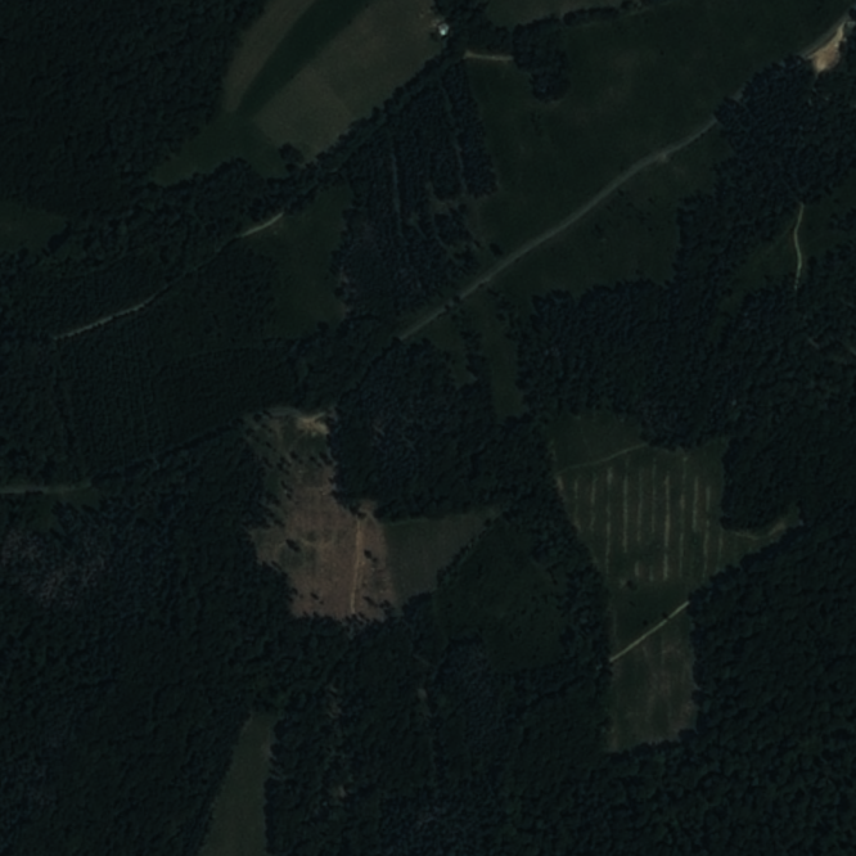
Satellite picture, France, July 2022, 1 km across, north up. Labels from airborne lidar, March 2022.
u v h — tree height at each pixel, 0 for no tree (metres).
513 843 27
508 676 6
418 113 17
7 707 10
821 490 16
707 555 0
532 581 0
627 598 0
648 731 0
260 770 0
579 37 0
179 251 21
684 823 28
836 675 29
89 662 17
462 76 22
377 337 23
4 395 29
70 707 18
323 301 0
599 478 0
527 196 0
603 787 25
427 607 21
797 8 0
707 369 24
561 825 23
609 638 13
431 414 20
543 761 25
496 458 23
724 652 29
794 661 32
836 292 16
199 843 14
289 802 22
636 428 0
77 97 19
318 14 0
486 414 21
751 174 21
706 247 22
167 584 20
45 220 0
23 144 10
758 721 27
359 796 24
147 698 22
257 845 0
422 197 24
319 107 0
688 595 0
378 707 25
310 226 0
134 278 10
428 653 24
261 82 0
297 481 0
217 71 26
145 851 26
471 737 22
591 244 0
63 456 27
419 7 0
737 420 11
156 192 32
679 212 0
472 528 0
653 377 15
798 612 32
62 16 21
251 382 7
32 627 19
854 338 22
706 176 0
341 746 10
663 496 0
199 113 28
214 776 16
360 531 0
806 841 25
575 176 0
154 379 6
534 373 19
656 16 0
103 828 22
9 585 18
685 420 23
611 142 0
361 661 24
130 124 23
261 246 0
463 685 21
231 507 22
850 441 18
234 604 22
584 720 27
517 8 0
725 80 0
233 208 19
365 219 14
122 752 24
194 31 23
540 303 19
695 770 31
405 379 16
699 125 0
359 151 17
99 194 15
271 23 0
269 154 0
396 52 0
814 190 12
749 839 23
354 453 21
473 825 22
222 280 12
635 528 0
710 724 24
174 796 29
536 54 21
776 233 17
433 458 23
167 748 27
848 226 23
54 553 25
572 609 26
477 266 23
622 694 0
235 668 25
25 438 33
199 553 24
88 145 9
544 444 21
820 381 22
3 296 25
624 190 0
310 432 0
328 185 17
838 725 29
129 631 21
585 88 0
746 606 26
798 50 0
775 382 22
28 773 12
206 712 26
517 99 0
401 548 0
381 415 26
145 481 21
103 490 20
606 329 23
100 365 7
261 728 0
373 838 26
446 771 23
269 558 0
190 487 22
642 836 23
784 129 20
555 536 21
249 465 21
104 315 7
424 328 0
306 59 0
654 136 0
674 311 22
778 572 26
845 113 13
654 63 0
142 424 7
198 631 19
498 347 0
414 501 23
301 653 20
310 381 30
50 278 9
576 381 14
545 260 0
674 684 0
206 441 18
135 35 25
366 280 17
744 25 0
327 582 0
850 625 33
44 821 25
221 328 12
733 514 21
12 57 16
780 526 0
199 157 0
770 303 21
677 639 0
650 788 28
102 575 14
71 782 24
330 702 29
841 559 30
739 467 27
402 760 24
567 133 0
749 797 27
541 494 19
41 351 26
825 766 27
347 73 0
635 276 0
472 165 21
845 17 0
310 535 0
